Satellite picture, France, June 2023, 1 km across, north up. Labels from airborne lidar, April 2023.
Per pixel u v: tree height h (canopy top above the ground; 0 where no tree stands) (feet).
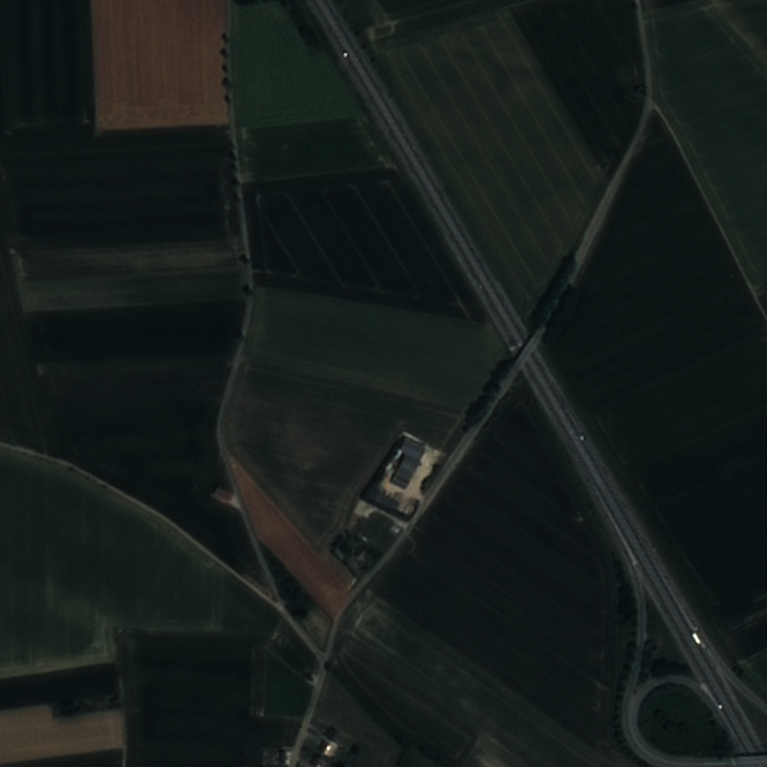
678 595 0
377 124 0
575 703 0
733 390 0
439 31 0
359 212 0
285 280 0
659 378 0
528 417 0
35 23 0
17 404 0
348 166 0
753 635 0
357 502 0
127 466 0
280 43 0
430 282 0
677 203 0
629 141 0
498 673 0
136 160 0
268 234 0
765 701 0
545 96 0
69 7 0
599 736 0
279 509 0
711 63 0
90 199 0
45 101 0
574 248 0
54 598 0
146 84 0
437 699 0
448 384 0
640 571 0
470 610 0
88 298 0
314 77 0
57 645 0
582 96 0
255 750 0
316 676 0
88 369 0
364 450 0
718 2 0
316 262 0
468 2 0
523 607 0
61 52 0
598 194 0
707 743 0
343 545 17
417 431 0
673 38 0
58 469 0
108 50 0
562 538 0
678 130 0
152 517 0
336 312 0
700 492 0
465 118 0
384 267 0
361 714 0
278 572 34
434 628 0
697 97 0
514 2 0
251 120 0
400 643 0
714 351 0
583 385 0
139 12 0
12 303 0
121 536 0
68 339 0
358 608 0
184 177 0
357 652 0
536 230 0
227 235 0
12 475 0
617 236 0
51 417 0
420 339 0
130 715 0
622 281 0
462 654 0
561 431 0
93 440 0
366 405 0
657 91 0
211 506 0
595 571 0
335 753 0
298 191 0
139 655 0
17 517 0
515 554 0
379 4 0
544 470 0
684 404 0
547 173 0
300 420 0
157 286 0
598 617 0
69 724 0
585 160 0
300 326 0
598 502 0
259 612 0
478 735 0
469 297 0
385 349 0
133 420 0
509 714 0
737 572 0
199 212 0
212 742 0
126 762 0
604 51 0
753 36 0
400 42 0
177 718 0
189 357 0
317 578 0
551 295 46
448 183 0
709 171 0
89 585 0
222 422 0
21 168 0
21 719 0
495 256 0
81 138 0
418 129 0
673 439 0
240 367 0
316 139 0
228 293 0
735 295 0
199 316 0
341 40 0
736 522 0
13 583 0
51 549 0
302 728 0
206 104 0
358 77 0
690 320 0
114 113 0
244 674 0
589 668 0
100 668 0
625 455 0
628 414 0
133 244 0
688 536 0
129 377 0
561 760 0
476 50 0
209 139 0
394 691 0
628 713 0
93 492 0
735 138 0
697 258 0
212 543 0
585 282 0
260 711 0
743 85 0
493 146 0
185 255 0
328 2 0
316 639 0
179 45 0
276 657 0
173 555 0
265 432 0
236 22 0
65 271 0
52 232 0
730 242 0
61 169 0
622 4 0
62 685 0
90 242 0
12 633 0
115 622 0
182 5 0
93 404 0
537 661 0
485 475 0
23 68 0
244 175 0
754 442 0
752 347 0
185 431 0
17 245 0
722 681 0
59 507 0
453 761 0
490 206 0
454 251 0
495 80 0
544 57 0
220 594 0
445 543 0
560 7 0
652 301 0
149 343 0
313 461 0
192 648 0
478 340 0
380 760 0
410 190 0
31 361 0
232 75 0
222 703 0
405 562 0
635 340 0
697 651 0
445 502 0
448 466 0
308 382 0
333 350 0
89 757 0
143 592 0
